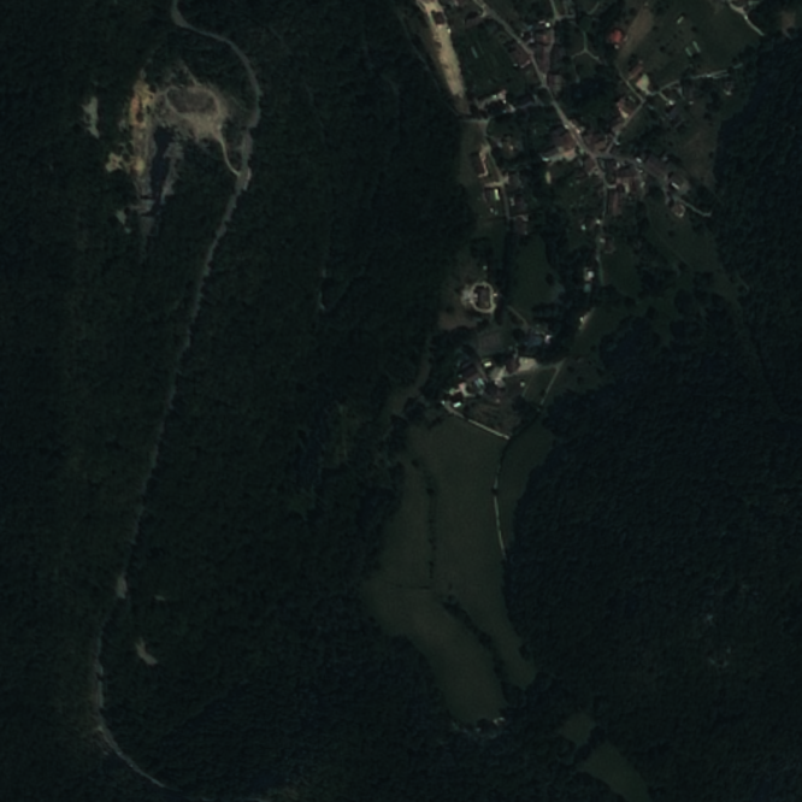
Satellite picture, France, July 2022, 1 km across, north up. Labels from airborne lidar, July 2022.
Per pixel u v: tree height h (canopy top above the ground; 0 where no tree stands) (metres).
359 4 23
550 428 8
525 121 14
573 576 24
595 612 19
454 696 0
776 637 16
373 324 27
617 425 31
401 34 28
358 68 28
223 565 22
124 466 13
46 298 19
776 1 20
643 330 26
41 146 25
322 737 26
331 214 18
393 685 29
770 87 26
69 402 17
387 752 38
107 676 9
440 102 22
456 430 0
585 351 0
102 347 18
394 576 0
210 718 27
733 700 21
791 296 15
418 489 0
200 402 14
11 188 18
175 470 24
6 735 15
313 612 20
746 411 30
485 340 0
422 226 27
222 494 22
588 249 13
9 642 14
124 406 20
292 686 33
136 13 21
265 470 19
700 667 13
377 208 25
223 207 7
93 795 22
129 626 18
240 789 29
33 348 18
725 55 0
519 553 26
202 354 19
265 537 20
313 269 20
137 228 13
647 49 0
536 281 0
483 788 29
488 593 0
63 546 13
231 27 18
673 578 22
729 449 25
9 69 22
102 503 18
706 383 38
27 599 14
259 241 25
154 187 0
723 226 11
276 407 19
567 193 0
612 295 16
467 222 20
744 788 17
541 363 9
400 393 0
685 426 30
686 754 18
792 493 25
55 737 9
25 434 20
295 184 19
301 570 12
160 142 0
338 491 28
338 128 21
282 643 28
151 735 28
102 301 17
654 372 26
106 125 13
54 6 17
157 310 16
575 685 25
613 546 24
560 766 21
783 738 23
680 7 0
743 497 30
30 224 17
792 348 27
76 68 22
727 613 22
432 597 0
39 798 21
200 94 0
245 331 16
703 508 9
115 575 21
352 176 27
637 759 23
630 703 21
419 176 24
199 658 33
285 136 19
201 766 30
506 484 0
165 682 30
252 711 30
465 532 0
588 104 31
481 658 0
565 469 25
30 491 17
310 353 22
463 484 0
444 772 28
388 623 0
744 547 26
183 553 19
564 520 23
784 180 23
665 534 21
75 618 20
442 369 15
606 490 24
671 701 20
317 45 25
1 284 19
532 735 21
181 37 11
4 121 24
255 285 20
